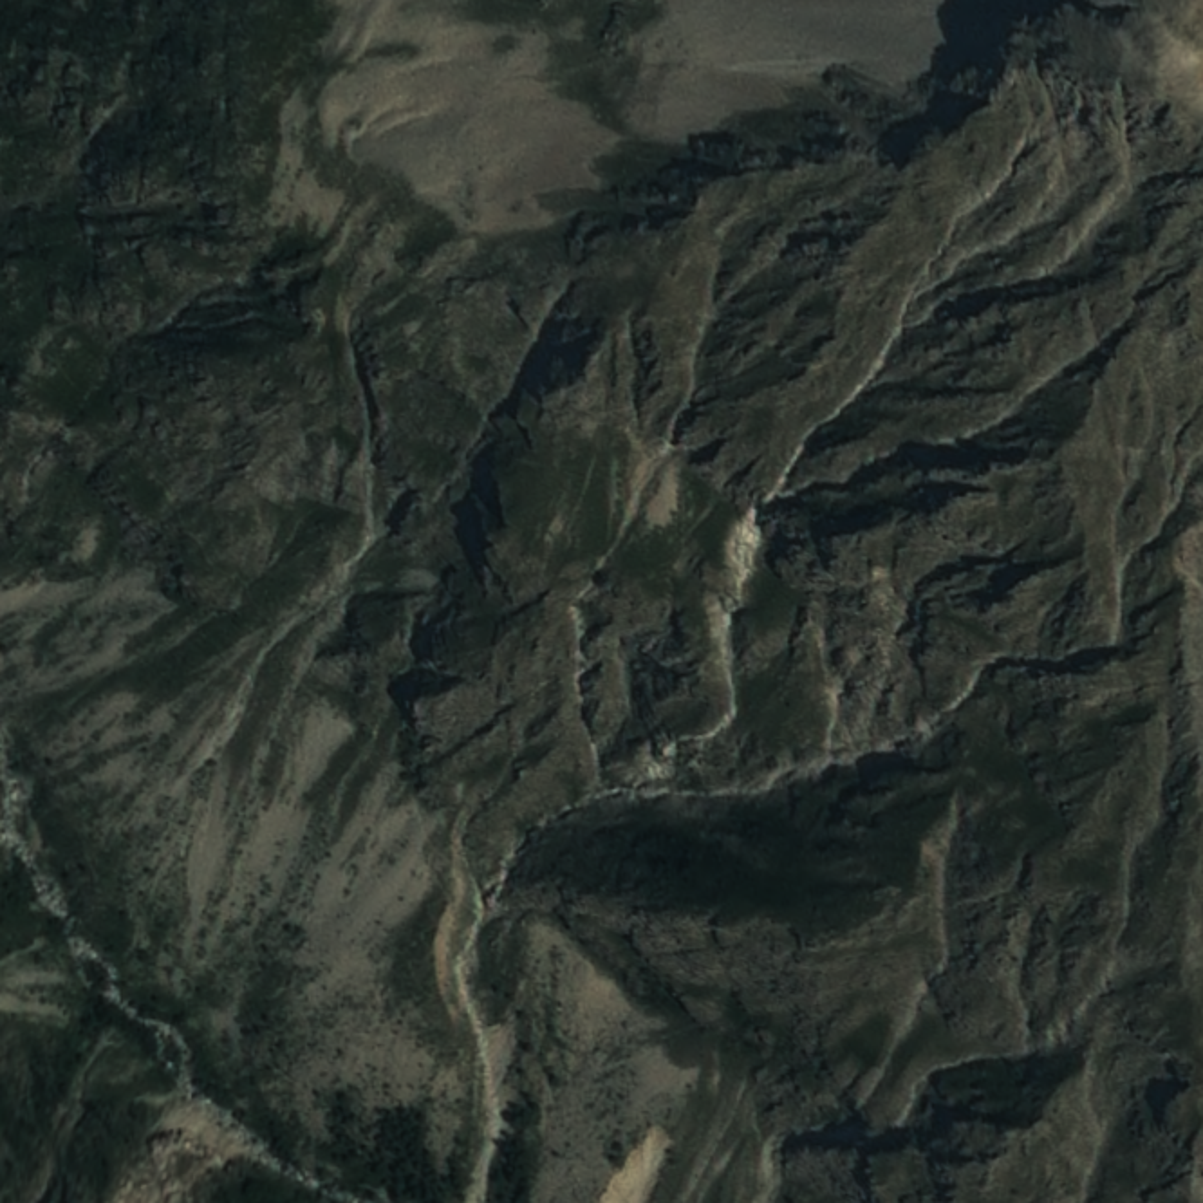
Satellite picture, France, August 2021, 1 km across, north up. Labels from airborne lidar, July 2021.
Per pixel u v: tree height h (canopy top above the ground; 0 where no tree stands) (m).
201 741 0
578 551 0
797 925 0
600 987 0
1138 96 0
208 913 0
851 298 0
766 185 0
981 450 0
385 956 0
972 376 0
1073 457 0
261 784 0
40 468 0
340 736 0
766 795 0
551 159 0
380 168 0
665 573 0
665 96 0
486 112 0
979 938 0
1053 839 0
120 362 0
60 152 0
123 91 0
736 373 0
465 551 0
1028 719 0
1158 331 0
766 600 0
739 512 0
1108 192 0
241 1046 0
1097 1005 0
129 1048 0
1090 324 0
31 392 0
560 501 0
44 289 0
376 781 0
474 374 0
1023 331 0
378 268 0
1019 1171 0
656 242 0
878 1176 0
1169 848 0
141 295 0
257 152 0
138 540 0
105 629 0
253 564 0
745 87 0
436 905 0
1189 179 0
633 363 0
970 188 0
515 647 0
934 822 0
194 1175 0
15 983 0
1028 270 0
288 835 0
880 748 0
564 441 0
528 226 0
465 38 0
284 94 0
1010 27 0
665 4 0
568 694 0
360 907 0
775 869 0
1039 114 0
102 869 0
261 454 0
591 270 0
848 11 0
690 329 0
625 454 0
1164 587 0
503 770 0
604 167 0
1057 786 0
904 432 0
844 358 0
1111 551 0
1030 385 0
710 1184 0
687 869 8
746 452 0
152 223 0
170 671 0
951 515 0
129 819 0
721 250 0
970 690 0
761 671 0
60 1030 0
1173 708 0
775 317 0
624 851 0
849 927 0
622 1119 0
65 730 0
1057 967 0
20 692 0
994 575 0
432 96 0
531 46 0
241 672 0
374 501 0
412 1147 14
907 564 0
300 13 0
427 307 0
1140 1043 0
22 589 0
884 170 0
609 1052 0
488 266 0
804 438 0
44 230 0
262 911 0
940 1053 0
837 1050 0
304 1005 0
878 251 0
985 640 0
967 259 0
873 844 0
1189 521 0
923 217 0
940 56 0
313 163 0
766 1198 0
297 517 0
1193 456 0
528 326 0
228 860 0
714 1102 0
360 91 0
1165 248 0
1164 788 0
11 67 0
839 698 0
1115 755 0
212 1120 0
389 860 0
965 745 0
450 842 0
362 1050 0
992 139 0
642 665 0
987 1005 0
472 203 0
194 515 0
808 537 0
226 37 0
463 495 0
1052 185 0
